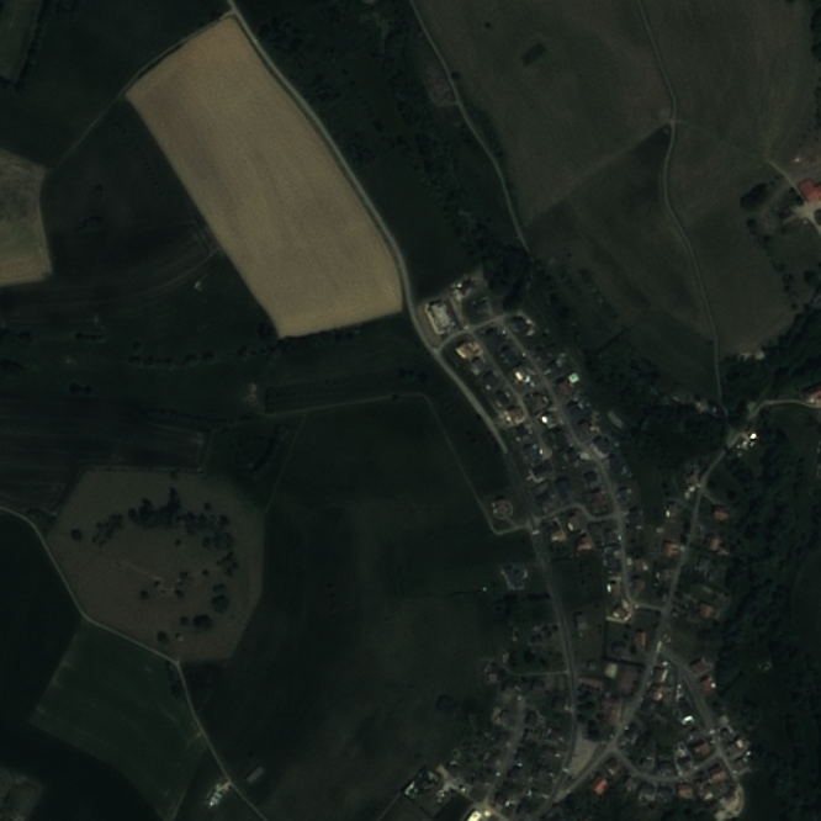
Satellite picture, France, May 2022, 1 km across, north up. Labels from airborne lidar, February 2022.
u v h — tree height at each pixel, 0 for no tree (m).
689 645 0
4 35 0
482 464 0
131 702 0
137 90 0
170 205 0
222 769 0
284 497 0
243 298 0
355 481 0
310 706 0
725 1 0
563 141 0
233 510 0
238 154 0
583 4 0
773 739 0
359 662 0
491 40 0
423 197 0
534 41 0
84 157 0
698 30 0
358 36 0
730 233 0
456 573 0
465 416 0
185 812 0
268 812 0
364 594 0
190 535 8
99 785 0
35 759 0
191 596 0
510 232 0
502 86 0
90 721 0
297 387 0
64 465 0
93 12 0
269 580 0
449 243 0
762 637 7
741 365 10
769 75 0
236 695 0
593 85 0
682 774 0
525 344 0
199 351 0
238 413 0
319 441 0
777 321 0
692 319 0
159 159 0
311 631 0
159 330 0
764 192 14
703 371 0
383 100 0
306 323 0
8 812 0
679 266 0
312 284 0
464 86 0
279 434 6
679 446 0
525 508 0
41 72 0
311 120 0
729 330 0
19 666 0
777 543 19
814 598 0
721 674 18
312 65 0
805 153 0
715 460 0
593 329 0
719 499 0
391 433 0
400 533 0
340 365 0
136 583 0
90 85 0
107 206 0
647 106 0
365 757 0
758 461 0
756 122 0
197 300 0
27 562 0
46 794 0
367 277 0
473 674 0
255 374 0
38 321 0
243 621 0
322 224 0
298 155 0
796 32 0
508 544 0
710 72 0
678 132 0
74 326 0
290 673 0
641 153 0
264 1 0
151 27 0
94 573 0
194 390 0
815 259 0
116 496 0
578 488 0
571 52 0
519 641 0
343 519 0
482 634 0
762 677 0
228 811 0
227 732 0
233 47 0
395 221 0
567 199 0
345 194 0
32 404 0
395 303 0
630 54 0
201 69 0
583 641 0
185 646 0
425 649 0
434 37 0
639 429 7
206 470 0
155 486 0
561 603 0
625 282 0
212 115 0
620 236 0
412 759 0
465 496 0
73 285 0
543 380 0
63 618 0
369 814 0
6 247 0
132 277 0
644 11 0
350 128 0
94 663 0
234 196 0
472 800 0
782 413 0
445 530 0
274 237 0
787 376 19
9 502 0
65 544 0
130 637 0
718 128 0
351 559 0
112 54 0
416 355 0
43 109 0
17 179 0
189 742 0
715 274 0
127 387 0
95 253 0
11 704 0
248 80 0
